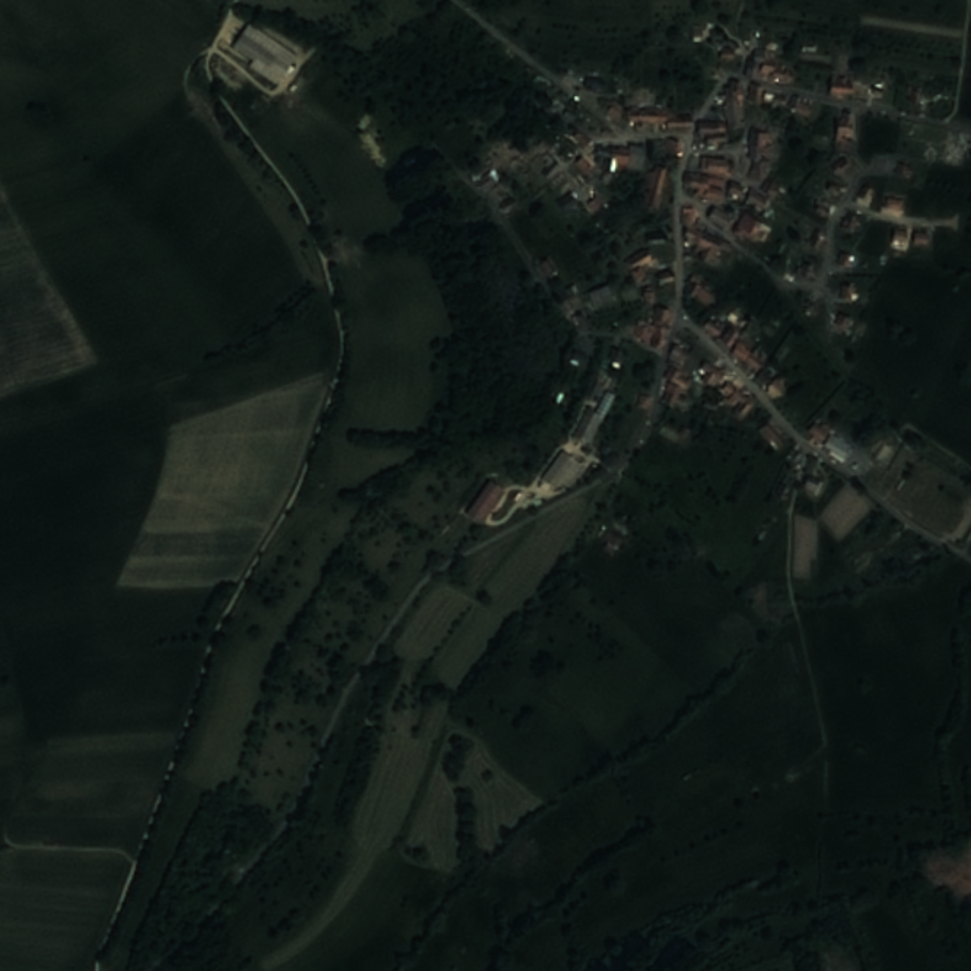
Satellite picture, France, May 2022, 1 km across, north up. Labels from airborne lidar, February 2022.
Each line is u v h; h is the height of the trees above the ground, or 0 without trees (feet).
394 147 0
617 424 43
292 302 20
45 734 0
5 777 0
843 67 0
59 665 0
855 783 0
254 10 35
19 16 0
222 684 0
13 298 0
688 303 19
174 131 0
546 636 0
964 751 0
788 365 0
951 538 0
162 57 0
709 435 56
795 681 0
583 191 0
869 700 0
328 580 27
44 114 33
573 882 26
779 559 0
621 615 0
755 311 0
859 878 0
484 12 53
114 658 0
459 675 0
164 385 0
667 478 0
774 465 0
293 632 41
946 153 0
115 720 0
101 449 0
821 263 0
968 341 0
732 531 0
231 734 0
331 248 19
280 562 22
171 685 0
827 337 0
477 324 70
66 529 0
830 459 0
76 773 0
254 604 0
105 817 0
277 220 0
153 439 0
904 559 0
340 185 0
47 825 0
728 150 0
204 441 0
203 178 0
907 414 0
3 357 0
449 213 93
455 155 0
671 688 0
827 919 43
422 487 0
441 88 49
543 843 0
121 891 0
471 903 0
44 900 0
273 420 0
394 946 0
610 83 0
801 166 0
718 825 0
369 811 0
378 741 32
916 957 0
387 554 0
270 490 0
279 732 28
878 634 0
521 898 0
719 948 18
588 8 0
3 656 0
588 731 0
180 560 0
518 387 39
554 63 0
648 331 0
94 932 0
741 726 0
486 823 0
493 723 0
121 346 0
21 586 0
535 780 0
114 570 0
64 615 0
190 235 0
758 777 0
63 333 0
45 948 0
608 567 0
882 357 0
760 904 0
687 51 0
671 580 26
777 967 0
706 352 0
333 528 0
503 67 34
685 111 0
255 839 34
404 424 0
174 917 47
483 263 86
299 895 0
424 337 0
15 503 0
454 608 0
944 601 0
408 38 37
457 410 50
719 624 0
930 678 0
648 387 31
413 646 0
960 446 0
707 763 0
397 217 0
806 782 0
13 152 0
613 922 0
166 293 0
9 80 0
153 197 0
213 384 0
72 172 0
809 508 0
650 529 0
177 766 25
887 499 0
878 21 0
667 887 0
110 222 0
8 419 0
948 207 0
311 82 0
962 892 78
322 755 39
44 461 0
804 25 23
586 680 0
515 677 0
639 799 0
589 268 0
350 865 0
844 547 0
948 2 0
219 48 0
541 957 0
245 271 0
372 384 0
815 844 0
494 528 0
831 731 0
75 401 0
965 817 0
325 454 0
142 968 35
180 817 0
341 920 0
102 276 0
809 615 0
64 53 0
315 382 0
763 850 0
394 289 0
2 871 0
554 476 0
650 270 0
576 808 0
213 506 0
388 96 48
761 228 0
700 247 0
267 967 0
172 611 0
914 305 0
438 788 0
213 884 32
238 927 0
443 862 0
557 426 0
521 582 0
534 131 24
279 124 0
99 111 0
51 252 0
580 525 0
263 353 0
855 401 20
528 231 0
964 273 27
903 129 0
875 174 0
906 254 0
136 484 0
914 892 32
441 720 0
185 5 0
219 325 0
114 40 0
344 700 0
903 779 0
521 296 63
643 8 0
